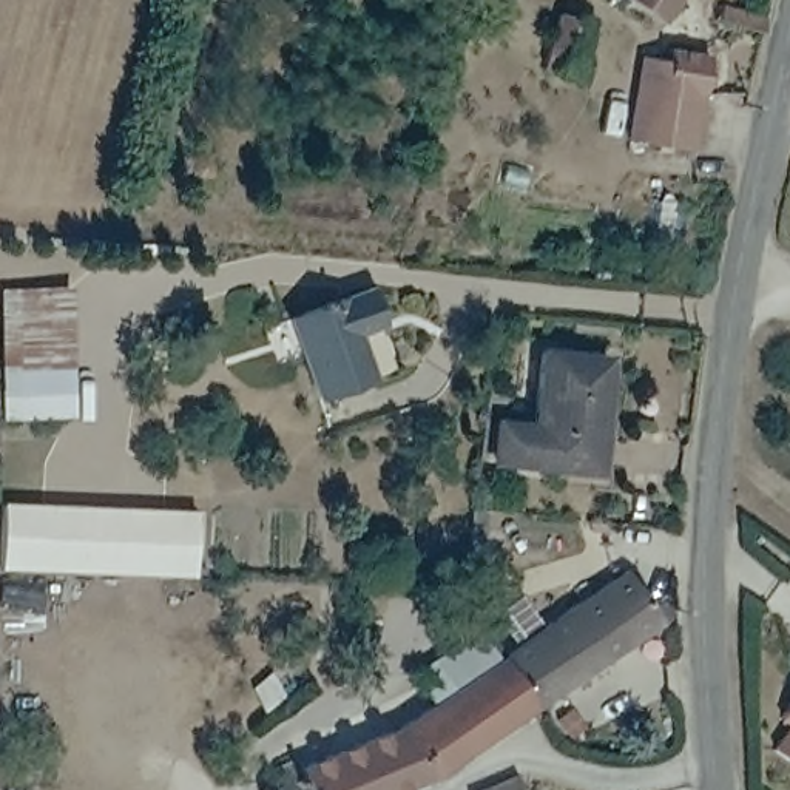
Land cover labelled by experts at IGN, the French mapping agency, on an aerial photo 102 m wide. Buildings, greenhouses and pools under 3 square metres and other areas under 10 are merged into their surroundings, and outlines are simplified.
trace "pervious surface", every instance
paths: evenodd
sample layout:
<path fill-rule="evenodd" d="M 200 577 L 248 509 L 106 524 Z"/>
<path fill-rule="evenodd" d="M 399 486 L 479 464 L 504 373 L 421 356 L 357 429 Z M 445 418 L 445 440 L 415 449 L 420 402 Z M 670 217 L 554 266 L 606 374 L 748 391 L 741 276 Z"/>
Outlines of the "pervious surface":
<path fill-rule="evenodd" d="M 762 37 L 756 74 L 747 93 L 716 96 L 710 99 L 716 111 L 710 136 L 713 154 L 725 157 L 722 167 L 713 167 L 713 176 L 725 179 L 731 194 L 741 191 L 744 179 L 747 136 L 753 120 L 750 111 L 756 108 L 771 43 L 771 34 L 765 34 Z"/>
<path fill-rule="evenodd" d="M 775 231 L 765 235 L 756 306 L 747 330 L 759 333 L 765 321 L 790 315 L 790 253 L 775 241 Z"/>
<path fill-rule="evenodd" d="M 429 636 L 410 599 L 383 596 L 373 602 L 383 642 L 376 660 L 370 660 L 364 673 L 346 670 L 346 682 L 330 685 L 318 694 L 293 719 L 275 725 L 259 738 L 244 747 L 238 781 L 228 787 L 213 784 L 198 756 L 194 753 L 191 759 L 176 759 L 164 750 L 145 750 L 142 778 L 157 781 L 164 790 L 259 790 L 259 762 L 275 759 L 281 753 L 293 759 L 299 781 L 309 781 L 312 765 L 321 765 L 339 753 L 352 753 L 370 741 L 389 738 L 404 725 L 417 722 L 420 716 L 426 716 L 435 701 L 414 697 L 414 685 L 407 676 L 432 667 L 441 657 L 429 648 Z"/>
<path fill-rule="evenodd" d="M 525 778 L 525 790 L 701 790 L 694 738 L 685 738 L 682 750 L 663 765 L 611 768 L 562 756 L 549 747 L 540 722 L 512 731 L 488 753 L 472 759 L 466 768 L 460 768 L 454 778 L 420 790 L 494 790 L 500 784 L 509 784 L 515 775 Z"/>

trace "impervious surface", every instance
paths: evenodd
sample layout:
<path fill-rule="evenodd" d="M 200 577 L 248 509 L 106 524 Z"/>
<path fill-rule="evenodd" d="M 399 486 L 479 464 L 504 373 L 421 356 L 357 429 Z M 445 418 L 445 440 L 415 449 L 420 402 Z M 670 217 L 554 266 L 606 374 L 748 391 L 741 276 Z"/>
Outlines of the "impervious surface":
<path fill-rule="evenodd" d="M 120 367 L 120 358 L 133 355 L 136 343 L 157 339 L 151 333 L 154 312 L 176 287 L 198 287 L 207 306 L 213 299 L 225 299 L 225 293 L 238 284 L 253 284 L 262 293 L 272 284 L 278 284 L 284 293 L 290 293 L 290 287 L 296 287 L 299 278 L 309 272 L 343 278 L 367 272 L 373 281 L 383 287 L 423 287 L 435 293 L 438 312 L 447 315 L 451 309 L 466 302 L 469 293 L 488 302 L 491 309 L 503 299 L 525 306 L 648 315 L 697 324 L 704 330 L 701 380 L 691 441 L 685 447 L 682 469 L 682 534 L 657 531 L 630 534 L 614 531 L 602 522 L 586 522 L 580 525 L 580 555 L 525 574 L 525 593 L 534 593 L 565 596 L 617 559 L 626 559 L 633 565 L 642 571 L 642 577 L 648 577 L 654 568 L 676 571 L 679 623 L 679 660 L 663 663 L 660 642 L 633 648 L 630 654 L 605 667 L 599 676 L 593 676 L 589 688 L 574 688 L 571 707 L 549 710 L 552 719 L 562 719 L 562 731 L 580 741 L 586 741 L 586 728 L 614 719 L 626 707 L 639 704 L 648 710 L 660 701 L 660 688 L 673 688 L 673 694 L 682 701 L 685 738 L 694 738 L 701 790 L 744 790 L 738 589 L 747 586 L 759 593 L 768 602 L 768 611 L 781 617 L 790 614 L 790 583 L 771 577 L 756 559 L 750 559 L 741 549 L 738 509 L 731 503 L 731 484 L 725 481 L 725 469 L 731 451 L 741 343 L 747 330 L 756 306 L 765 235 L 775 231 L 775 210 L 790 167 L 790 0 L 768 0 L 768 9 L 771 22 L 765 34 L 771 34 L 771 43 L 756 108 L 750 111 L 753 120 L 747 136 L 744 179 L 741 191 L 731 194 L 725 241 L 719 250 L 719 281 L 707 296 L 660 296 L 525 281 L 420 272 L 404 265 L 376 259 L 256 253 L 219 262 L 213 275 L 198 272 L 194 265 L 167 272 L 164 265 L 151 265 L 136 272 L 117 272 L 83 265 L 68 278 L 68 287 L 43 290 L 40 302 L 56 302 L 56 312 L 40 312 L 40 321 L 77 321 L 77 417 L 59 420 L 62 432 L 56 432 L 49 441 L 40 484 L 43 494 L 34 506 L 191 512 L 194 500 L 167 494 L 167 478 L 151 475 L 133 454 L 130 441 L 142 423 L 136 404 L 127 392 L 127 373 Z"/>
<path fill-rule="evenodd" d="M 299 355 L 293 321 L 290 321 L 272 327 L 268 343 L 225 358 L 231 367 L 262 355 L 278 355 L 281 361 L 290 358 Z"/>
<path fill-rule="evenodd" d="M 515 343 L 509 364 L 518 401 L 497 404 L 491 429 L 491 451 L 481 457 L 484 463 L 491 463 L 494 451 L 500 447 L 503 423 L 534 423 L 540 417 L 543 352 L 608 349 L 608 339 L 574 330 L 537 330 L 534 343 L 522 343 Z"/>
<path fill-rule="evenodd" d="M 451 395 L 451 352 L 441 343 L 444 330 L 441 324 L 423 315 L 392 318 L 380 333 L 370 336 L 380 373 L 395 370 L 392 336 L 398 327 L 426 330 L 429 349 L 423 352 L 423 364 L 414 376 L 386 389 L 376 383 L 373 389 L 343 401 L 324 398 L 318 401 L 318 407 L 309 407 L 321 417 L 321 429 L 380 407 L 404 404 L 414 398 L 444 401 Z"/>

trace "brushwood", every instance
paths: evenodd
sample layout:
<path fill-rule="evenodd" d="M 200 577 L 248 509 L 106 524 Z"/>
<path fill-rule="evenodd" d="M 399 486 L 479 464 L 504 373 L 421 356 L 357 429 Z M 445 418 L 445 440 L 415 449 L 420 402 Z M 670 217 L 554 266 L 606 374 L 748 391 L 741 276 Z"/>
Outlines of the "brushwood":
<path fill-rule="evenodd" d="M 423 352 L 429 349 L 426 330 L 398 327 L 392 336 L 395 370 L 380 373 L 376 383 L 386 389 L 414 376 L 423 364 Z"/>
<path fill-rule="evenodd" d="M 525 518 L 540 522 L 577 522 L 577 512 L 571 506 L 531 506 L 522 512 Z"/>
<path fill-rule="evenodd" d="M 562 719 L 552 719 L 549 710 L 540 713 L 540 722 L 549 747 L 562 756 L 611 768 L 663 765 L 682 750 L 685 738 L 682 701 L 673 694 L 673 688 L 660 688 L 660 701 L 667 707 L 667 716 L 673 719 L 673 734 L 651 756 L 642 756 L 648 741 L 626 734 L 626 728 L 620 728 L 614 719 L 586 728 L 586 741 L 580 741 L 562 731 Z"/>
<path fill-rule="evenodd" d="M 630 534 L 657 531 L 648 518 L 636 518 L 636 497 L 617 488 L 617 481 L 611 481 L 605 494 L 593 500 L 586 522 L 602 522 L 614 531 Z"/>
<path fill-rule="evenodd" d="M 420 272 L 525 281 L 537 268 L 537 262 L 528 259 L 512 262 L 494 256 L 472 256 L 441 256 L 429 247 L 429 241 L 420 241 L 404 265 Z"/>
<path fill-rule="evenodd" d="M 775 231 L 775 241 L 790 253 L 790 167 L 775 210 Z"/>
<path fill-rule="evenodd" d="M 768 602 L 759 593 L 747 586 L 738 589 L 744 790 L 768 790 L 759 781 L 759 654 L 759 623 L 768 611 Z"/>
<path fill-rule="evenodd" d="M 525 306 L 522 318 L 528 324 L 522 327 L 522 343 L 534 343 L 537 330 L 574 330 L 580 327 L 580 321 L 617 324 L 626 336 L 642 336 L 642 330 L 651 327 L 670 339 L 670 361 L 682 364 L 685 370 L 691 370 L 691 376 L 701 380 L 704 330 L 697 324 L 648 315 Z"/>
<path fill-rule="evenodd" d="M 750 559 L 756 559 L 771 577 L 790 583 L 790 531 L 784 534 L 771 528 L 744 506 L 738 509 L 741 549 Z"/>
<path fill-rule="evenodd" d="M 438 312 L 435 293 L 423 287 L 383 287 L 392 318 L 423 315 L 441 324 L 444 330 L 447 315 Z"/>
<path fill-rule="evenodd" d="M 491 451 L 491 429 L 472 429 L 469 414 L 460 414 L 460 429 L 469 441 L 469 457 L 481 457 Z"/>
<path fill-rule="evenodd" d="M 318 447 L 324 454 L 343 432 L 386 420 L 380 407 L 321 429 Z"/>
<path fill-rule="evenodd" d="M 293 719 L 318 694 L 318 685 L 309 673 L 290 676 L 284 682 L 284 701 L 275 710 L 262 710 L 250 713 L 250 728 L 259 738 L 275 725 Z"/>

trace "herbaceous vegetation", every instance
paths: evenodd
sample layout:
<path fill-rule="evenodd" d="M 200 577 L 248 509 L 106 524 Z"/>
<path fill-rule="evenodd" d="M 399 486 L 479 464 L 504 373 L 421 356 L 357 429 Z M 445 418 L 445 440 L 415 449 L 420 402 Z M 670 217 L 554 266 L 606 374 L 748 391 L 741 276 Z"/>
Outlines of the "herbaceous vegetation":
<path fill-rule="evenodd" d="M 759 370 L 759 352 L 775 333 L 790 330 L 790 315 L 765 321 L 759 333 L 747 330 L 741 343 L 731 451 L 725 469 L 725 481 L 731 484 L 731 503 L 738 509 L 744 506 L 771 528 L 784 534 L 790 531 L 790 503 L 771 503 L 771 497 L 765 497 L 744 475 L 744 469 L 762 460 L 768 469 L 778 469 L 790 478 L 790 444 L 768 444 L 756 429 L 753 417 L 765 398 L 790 395 L 790 386 L 784 389 L 765 383 Z"/>
<path fill-rule="evenodd" d="M 225 299 L 213 299 L 207 306 L 198 287 L 176 287 L 154 312 L 151 333 L 157 339 L 170 318 L 188 318 L 204 330 L 204 324 L 225 318 Z"/>
<path fill-rule="evenodd" d="M 648 367 L 654 380 L 654 395 L 648 404 L 636 401 L 630 392 L 623 395 L 626 410 L 651 417 L 654 429 L 642 432 L 639 438 L 630 438 L 623 429 L 614 432 L 614 460 L 620 466 L 614 478 L 549 478 L 534 469 L 522 469 L 522 475 L 528 481 L 531 506 L 571 506 L 577 512 L 577 522 L 540 522 L 525 518 L 522 512 L 494 509 L 491 518 L 481 525 L 463 512 L 466 488 L 447 484 L 435 472 L 429 472 L 426 484 L 435 497 L 435 506 L 429 512 L 429 522 L 417 522 L 417 549 L 420 555 L 429 555 L 438 565 L 463 562 L 469 552 L 484 559 L 509 549 L 515 568 L 525 574 L 580 555 L 580 525 L 586 522 L 593 500 L 605 494 L 611 481 L 617 481 L 617 488 L 636 497 L 636 518 L 648 518 L 648 509 L 654 503 L 670 503 L 670 491 L 663 481 L 667 472 L 682 469 L 685 447 L 691 441 L 701 380 L 691 376 L 691 370 L 685 370 L 682 364 L 670 361 L 670 339 L 651 327 L 642 330 L 642 336 L 626 336 L 617 324 L 580 321 L 580 327 L 574 330 L 608 339 L 608 349 L 608 355 L 626 358 L 623 373 L 639 364 Z"/>
<path fill-rule="evenodd" d="M 651 756 L 673 734 L 673 719 L 667 716 L 667 707 L 660 701 L 648 710 L 639 704 L 626 707 L 614 719 L 620 728 L 626 728 L 626 734 L 648 741 L 642 756 Z"/>
<path fill-rule="evenodd" d="M 373 281 L 367 272 L 343 278 L 309 272 L 299 278 L 296 287 L 290 287 L 290 293 L 284 293 L 278 284 L 272 284 L 262 293 L 284 296 L 290 321 L 293 321 L 299 315 L 336 306 L 352 293 L 361 293 Z"/>
<path fill-rule="evenodd" d="M 617 559 L 565 596 L 534 593 L 531 605 L 543 614 L 543 620 L 552 623 L 562 620 L 571 608 L 596 599 L 608 583 L 617 583 L 617 577 L 623 577 L 633 565 L 626 559 Z"/>
<path fill-rule="evenodd" d="M 710 52 L 716 56 L 716 77 L 722 83 L 719 89 L 713 89 L 716 96 L 747 93 L 756 74 L 762 37 L 738 37 L 731 43 L 722 40 L 710 46 Z"/>
<path fill-rule="evenodd" d="M 315 540 L 327 565 L 343 571 L 343 543 L 327 525 L 327 509 L 336 509 L 339 503 L 367 506 L 373 515 L 367 528 L 380 540 L 404 537 L 398 518 L 383 515 L 389 500 L 380 491 L 380 469 L 386 463 L 383 454 L 376 451 L 358 460 L 349 451 L 349 438 L 383 438 L 386 420 L 343 432 L 324 454 L 318 447 L 321 429 L 321 417 L 309 407 L 318 407 L 318 401 L 324 398 L 299 355 L 290 358 L 296 364 L 296 380 L 278 389 L 250 389 L 241 376 L 235 376 L 231 367 L 225 358 L 207 364 L 207 370 L 194 383 L 167 386 L 164 401 L 136 404 L 142 423 L 160 420 L 164 426 L 173 426 L 182 398 L 207 395 L 213 383 L 222 383 L 228 386 L 231 398 L 244 414 L 253 414 L 272 426 L 287 454 L 287 475 L 272 488 L 247 484 L 231 460 L 204 460 L 191 469 L 185 451 L 176 451 L 179 469 L 167 478 L 167 494 L 194 500 L 191 512 L 204 515 L 207 549 L 225 546 L 238 562 L 247 565 L 296 568 L 306 540 Z"/>
<path fill-rule="evenodd" d="M 25 771 L 28 790 L 164 790 L 157 781 L 142 778 L 145 750 L 164 750 L 176 759 L 191 759 L 194 753 L 198 756 L 219 750 L 225 744 L 244 747 L 259 738 L 250 728 L 250 713 L 262 710 L 259 685 L 272 673 L 284 682 L 290 676 L 309 673 L 318 685 L 318 694 L 330 685 L 321 673 L 324 648 L 315 648 L 290 663 L 281 663 L 262 651 L 259 636 L 238 633 L 235 657 L 225 657 L 216 639 L 210 636 L 210 623 L 219 620 L 222 608 L 216 596 L 204 593 L 201 577 L 12 574 L 6 571 L 6 509 L 12 503 L 34 506 L 43 494 L 40 484 L 49 441 L 56 432 L 62 432 L 59 420 L 6 417 L 6 293 L 43 290 L 68 287 L 68 278 L 83 265 L 68 253 L 68 247 L 80 244 L 145 244 L 151 253 L 151 265 L 164 265 L 167 272 L 194 265 L 198 272 L 213 275 L 219 262 L 256 253 L 376 259 L 404 265 L 420 241 L 429 241 L 429 247 L 441 256 L 472 256 L 478 247 L 475 210 L 484 204 L 484 194 L 494 191 L 506 191 L 509 210 L 525 219 L 531 201 L 552 207 L 580 207 L 593 210 L 596 216 L 614 213 L 620 219 L 630 219 L 633 231 L 642 235 L 642 241 L 667 241 L 670 247 L 682 241 L 694 244 L 694 216 L 676 207 L 676 194 L 685 191 L 685 185 L 694 185 L 694 176 L 713 176 L 713 167 L 722 167 L 725 157 L 713 154 L 697 154 L 688 164 L 670 145 L 651 151 L 633 139 L 633 127 L 639 120 L 645 62 L 673 62 L 676 52 L 707 52 L 713 15 L 713 3 L 716 3 L 716 0 L 688 0 L 688 9 L 670 22 L 654 6 L 639 0 L 515 0 L 518 19 L 509 31 L 491 40 L 469 40 L 463 46 L 463 114 L 454 114 L 451 127 L 438 136 L 447 154 L 441 173 L 429 185 L 417 176 L 404 176 L 404 182 L 392 188 L 389 207 L 370 210 L 364 185 L 339 188 L 336 182 L 309 182 L 299 188 L 284 188 L 281 207 L 265 213 L 253 204 L 253 198 L 272 185 L 268 167 L 262 164 L 259 145 L 253 142 L 256 136 L 250 130 L 219 127 L 204 139 L 201 157 L 185 160 L 185 170 L 191 176 L 201 176 L 204 182 L 204 210 L 182 207 L 170 176 L 157 179 L 154 201 L 136 219 L 105 210 L 93 216 L 59 213 L 56 225 L 0 219 L 0 704 L 46 704 L 65 744 L 65 753 L 43 753 Z M 540 34 L 559 28 L 565 15 L 583 19 L 596 9 L 602 25 L 596 52 L 596 77 L 589 86 L 568 83 L 559 74 L 540 68 Z M 525 139 L 525 133 L 522 133 L 522 117 L 525 117 L 525 114 L 540 114 L 540 117 L 543 117 L 543 123 L 546 123 L 546 142 L 543 142 L 543 145 L 531 145 L 531 142 Z"/>
<path fill-rule="evenodd" d="M 281 599 L 290 593 L 309 599 L 309 614 L 315 620 L 327 620 L 333 614 L 330 589 L 324 583 L 253 577 L 231 589 L 238 608 L 253 620 L 268 617 L 268 611 L 281 605 Z"/>
<path fill-rule="evenodd" d="M 790 725 L 790 654 L 781 660 L 768 651 L 759 654 L 759 781 L 768 790 L 790 790 L 790 753 L 771 747 L 771 734 L 778 725 Z"/>

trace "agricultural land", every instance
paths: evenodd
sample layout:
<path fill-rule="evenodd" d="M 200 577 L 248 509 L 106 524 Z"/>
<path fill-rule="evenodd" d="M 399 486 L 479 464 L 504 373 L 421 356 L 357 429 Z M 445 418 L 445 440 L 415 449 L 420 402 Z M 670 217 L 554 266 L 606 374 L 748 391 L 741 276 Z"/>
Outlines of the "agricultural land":
<path fill-rule="evenodd" d="M 93 216 L 105 210 L 105 198 L 120 179 L 117 160 L 123 157 L 127 139 L 123 120 L 133 117 L 136 68 L 151 59 L 151 31 L 160 28 L 160 15 L 151 12 L 154 0 L 0 0 L 0 219 L 56 225 L 59 213 Z"/>
<path fill-rule="evenodd" d="M 478 247 L 472 256 L 494 256 L 512 262 L 528 259 L 531 247 L 562 250 L 568 244 L 580 244 L 593 253 L 589 222 L 596 216 L 593 210 L 580 207 L 552 207 L 531 201 L 525 219 L 509 210 L 506 191 L 494 191 L 484 194 L 484 204 L 475 210 Z"/>
<path fill-rule="evenodd" d="M 768 469 L 762 460 L 744 469 L 744 475 L 765 497 L 771 497 L 771 503 L 790 503 L 790 478 L 778 469 Z"/>

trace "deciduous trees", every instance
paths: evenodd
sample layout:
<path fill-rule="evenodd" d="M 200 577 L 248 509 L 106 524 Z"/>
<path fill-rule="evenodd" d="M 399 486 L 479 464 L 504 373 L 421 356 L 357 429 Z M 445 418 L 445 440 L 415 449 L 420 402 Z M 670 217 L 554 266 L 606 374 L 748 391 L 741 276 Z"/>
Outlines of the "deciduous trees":
<path fill-rule="evenodd" d="M 299 781 L 293 759 L 281 753 L 275 759 L 259 762 L 259 790 L 287 790 L 287 784 L 296 787 Z"/>
<path fill-rule="evenodd" d="M 117 272 L 136 272 L 151 265 L 151 253 L 145 244 L 80 244 L 68 247 L 68 253 L 83 265 Z"/>
<path fill-rule="evenodd" d="M 225 744 L 219 750 L 198 756 L 213 784 L 228 787 L 238 781 L 244 747 Z"/>
<path fill-rule="evenodd" d="M 481 525 L 491 518 L 494 509 L 522 512 L 531 506 L 528 481 L 522 475 L 491 463 L 484 463 L 481 457 L 469 457 L 469 441 L 460 429 L 460 414 L 469 414 L 472 429 L 491 429 L 497 404 L 518 401 L 509 364 L 515 343 L 522 343 L 522 327 L 528 324 L 522 318 L 525 306 L 503 299 L 491 309 L 488 302 L 469 293 L 466 302 L 451 309 L 447 315 L 444 330 L 441 343 L 451 352 L 451 395 L 444 401 L 414 398 L 404 404 L 380 407 L 386 420 L 383 438 L 349 438 L 349 451 L 358 460 L 376 451 L 383 454 L 386 463 L 380 469 L 380 491 L 389 500 L 383 515 L 398 518 L 404 537 L 380 540 L 367 528 L 373 515 L 367 506 L 339 503 L 336 509 L 327 509 L 327 525 L 343 543 L 343 571 L 327 565 L 315 540 L 306 540 L 296 568 L 247 565 L 238 562 L 225 546 L 207 549 L 201 577 L 204 593 L 216 596 L 222 608 L 219 620 L 210 623 L 210 636 L 216 639 L 225 657 L 235 657 L 238 633 L 259 636 L 262 651 L 281 663 L 290 663 L 315 648 L 324 648 L 321 673 L 330 685 L 346 682 L 346 670 L 364 673 L 370 660 L 376 660 L 383 642 L 373 602 L 383 596 L 410 599 L 429 636 L 429 648 L 441 657 L 457 657 L 463 651 L 503 651 L 506 639 L 515 639 L 509 611 L 525 593 L 525 574 L 515 568 L 509 549 L 484 559 L 469 552 L 463 562 L 438 565 L 429 555 L 420 555 L 417 549 L 417 522 L 429 522 L 429 512 L 435 506 L 435 497 L 426 484 L 429 472 L 435 472 L 447 484 L 466 488 L 463 512 Z M 309 614 L 309 599 L 290 593 L 281 599 L 281 605 L 268 611 L 268 617 L 253 620 L 238 608 L 231 589 L 253 577 L 324 583 L 330 589 L 333 614 L 327 620 L 315 620 Z"/>
<path fill-rule="evenodd" d="M 759 654 L 768 651 L 781 660 L 790 654 L 790 614 L 781 617 L 768 611 L 759 623 Z"/>
<path fill-rule="evenodd" d="M 630 219 L 620 219 L 614 213 L 596 216 L 589 222 L 593 253 L 580 244 L 568 244 L 562 250 L 531 247 L 528 259 L 537 262 L 537 268 L 525 281 L 660 296 L 707 296 L 719 281 L 719 250 L 725 241 L 731 194 L 725 179 L 713 176 L 694 176 L 694 185 L 685 185 L 685 191 L 676 194 L 676 207 L 694 216 L 694 244 L 682 241 L 670 247 L 667 241 L 642 241 L 642 235 L 633 231 Z"/>
<path fill-rule="evenodd" d="M 654 429 L 651 417 L 626 410 L 620 414 L 623 429 L 630 438 L 639 438 L 642 432 Z"/>
<path fill-rule="evenodd" d="M 235 376 L 241 376 L 250 389 L 278 389 L 296 380 L 296 364 L 290 358 L 281 361 L 278 355 L 262 355 L 231 367 Z"/>
<path fill-rule="evenodd" d="M 679 623 L 667 623 L 660 642 L 663 663 L 679 660 Z"/>
<path fill-rule="evenodd" d="M 626 383 L 630 392 L 636 401 L 648 404 L 654 395 L 654 380 L 648 367 L 639 364 L 623 373 L 620 383 Z"/>
<path fill-rule="evenodd" d="M 574 56 L 559 74 L 568 83 L 589 86 L 596 77 L 596 52 Z"/>
<path fill-rule="evenodd" d="M 228 386 L 222 383 L 213 383 L 207 395 L 182 398 L 173 426 L 164 426 L 160 420 L 142 423 L 130 441 L 133 454 L 151 475 L 167 478 L 179 469 L 176 451 L 185 451 L 191 469 L 204 460 L 231 460 L 247 484 L 272 488 L 287 475 L 287 454 L 272 426 L 253 414 L 244 414 L 231 398 Z"/>
<path fill-rule="evenodd" d="M 759 370 L 765 383 L 784 389 L 790 386 L 790 330 L 775 333 L 759 352 Z"/>
<path fill-rule="evenodd" d="M 525 117 L 522 117 L 522 133 L 525 133 L 525 139 L 531 142 L 531 145 L 543 145 L 543 142 L 546 142 L 546 123 L 543 123 L 543 117 L 540 117 L 540 114 L 525 114 Z"/>
<path fill-rule="evenodd" d="M 790 444 L 790 395 L 765 398 L 753 417 L 756 429 L 768 444 Z"/>
<path fill-rule="evenodd" d="M 65 753 L 65 744 L 46 704 L 0 704 L 0 790 L 28 790 L 25 771 L 43 753 Z"/>
<path fill-rule="evenodd" d="M 744 12 L 765 12 L 765 9 L 768 9 L 768 0 L 716 0 L 716 3 L 713 3 L 713 15 L 713 19 L 725 19 L 725 12 L 728 12 L 728 9 L 744 9 Z"/>
<path fill-rule="evenodd" d="M 463 46 L 469 40 L 491 40 L 509 31 L 518 19 L 515 0 L 154 0 L 151 12 L 160 15 L 160 28 L 151 31 L 151 59 L 136 68 L 133 117 L 123 120 L 127 139 L 123 157 L 117 160 L 120 179 L 105 198 L 105 210 L 136 219 L 154 201 L 157 179 L 170 176 L 182 207 L 204 210 L 204 182 L 201 176 L 191 176 L 185 170 L 185 160 L 201 157 L 204 139 L 219 127 L 250 130 L 256 136 L 253 142 L 259 145 L 262 164 L 268 167 L 272 185 L 253 198 L 253 204 L 265 213 L 281 207 L 284 188 L 299 188 L 309 182 L 336 182 L 339 188 L 364 185 L 370 210 L 389 207 L 392 188 L 404 182 L 404 176 L 417 176 L 429 185 L 441 173 L 447 154 L 438 136 L 451 127 L 454 114 L 463 114 Z"/>
<path fill-rule="evenodd" d="M 194 383 L 207 370 L 207 364 L 225 358 L 268 343 L 272 327 L 290 321 L 284 296 L 262 293 L 253 284 L 238 284 L 225 293 L 225 299 L 225 318 L 204 324 L 204 330 L 188 318 L 170 318 L 157 339 L 136 343 L 133 355 L 120 358 L 120 367 L 127 373 L 127 392 L 136 404 L 164 401 L 167 386 Z"/>
<path fill-rule="evenodd" d="M 682 534 L 682 469 L 667 472 L 663 481 L 670 491 L 670 503 L 654 503 L 648 509 L 648 518 L 657 531 Z"/>

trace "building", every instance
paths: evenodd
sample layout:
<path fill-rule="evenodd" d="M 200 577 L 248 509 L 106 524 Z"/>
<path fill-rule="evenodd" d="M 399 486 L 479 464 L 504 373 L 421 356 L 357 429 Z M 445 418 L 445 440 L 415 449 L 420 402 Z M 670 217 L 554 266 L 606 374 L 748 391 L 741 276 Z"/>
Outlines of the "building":
<path fill-rule="evenodd" d="M 509 784 L 500 784 L 494 790 L 525 790 L 525 778 L 515 775 Z"/>
<path fill-rule="evenodd" d="M 204 515 L 191 512 L 34 506 L 12 503 L 6 509 L 6 571 L 12 574 L 201 577 L 207 549 Z"/>
<path fill-rule="evenodd" d="M 284 701 L 284 682 L 272 673 L 259 685 L 262 710 L 275 710 Z"/>
<path fill-rule="evenodd" d="M 713 19 L 713 15 L 707 52 L 676 52 L 673 62 L 645 62 L 639 120 L 633 127 L 633 139 L 651 151 L 670 145 L 688 164 L 697 154 L 713 154 L 710 136 L 716 111 L 710 99 L 716 96 L 713 89 L 719 89 L 722 83 L 716 77 L 716 56 L 710 52 L 710 46 L 722 40 L 731 43 L 738 37 L 762 37 L 765 34 L 771 22 L 768 9 L 765 9 L 765 12 L 744 12 L 744 9 L 728 9 L 728 12 L 725 12 L 725 19 Z"/>
<path fill-rule="evenodd" d="M 771 734 L 771 747 L 790 753 L 790 725 L 778 725 Z"/>
<path fill-rule="evenodd" d="M 540 722 L 540 713 L 549 710 L 571 707 L 574 688 L 589 688 L 593 676 L 599 676 L 605 667 L 630 654 L 633 648 L 660 642 L 667 623 L 679 623 L 676 571 L 654 568 L 648 577 L 642 577 L 642 571 L 633 565 L 623 577 L 617 577 L 617 583 L 608 583 L 596 599 L 571 608 L 562 620 L 552 623 L 543 620 L 543 614 L 531 605 L 534 593 L 525 593 L 509 611 L 515 639 L 506 639 L 503 651 L 463 651 L 457 657 L 441 657 L 432 667 L 407 676 L 414 685 L 414 697 L 435 701 L 426 716 L 420 716 L 417 722 L 404 725 L 389 738 L 370 741 L 352 753 L 339 753 L 321 765 L 312 765 L 309 781 L 299 781 L 296 787 L 287 784 L 287 790 L 420 790 L 454 778 L 460 768 L 466 768 L 472 759 L 488 753 L 512 731 Z"/>
<path fill-rule="evenodd" d="M 540 68 L 559 74 L 574 56 L 596 52 L 602 25 L 596 9 L 583 19 L 565 15 L 559 28 L 540 34 Z"/>
<path fill-rule="evenodd" d="M 688 9 L 688 0 L 639 0 L 654 6 L 670 22 Z"/>
<path fill-rule="evenodd" d="M 6 293 L 6 417 L 59 420 L 77 417 L 77 321 L 40 321 L 40 312 L 56 312 L 56 302 L 40 302 L 43 290 Z"/>
<path fill-rule="evenodd" d="M 503 423 L 500 447 L 494 451 L 491 463 L 522 475 L 522 469 L 534 469 L 549 478 L 614 478 L 620 466 L 614 460 L 614 432 L 623 429 L 620 414 L 626 410 L 623 395 L 630 392 L 626 383 L 620 383 L 623 373 L 626 358 L 608 355 L 608 349 L 543 352 L 540 417 L 534 423 Z"/>
<path fill-rule="evenodd" d="M 373 389 L 376 383 L 380 373 L 370 336 L 380 333 L 392 318 L 383 287 L 373 281 L 361 293 L 352 293 L 336 306 L 299 315 L 293 321 L 299 355 L 324 398 L 343 401 Z"/>

